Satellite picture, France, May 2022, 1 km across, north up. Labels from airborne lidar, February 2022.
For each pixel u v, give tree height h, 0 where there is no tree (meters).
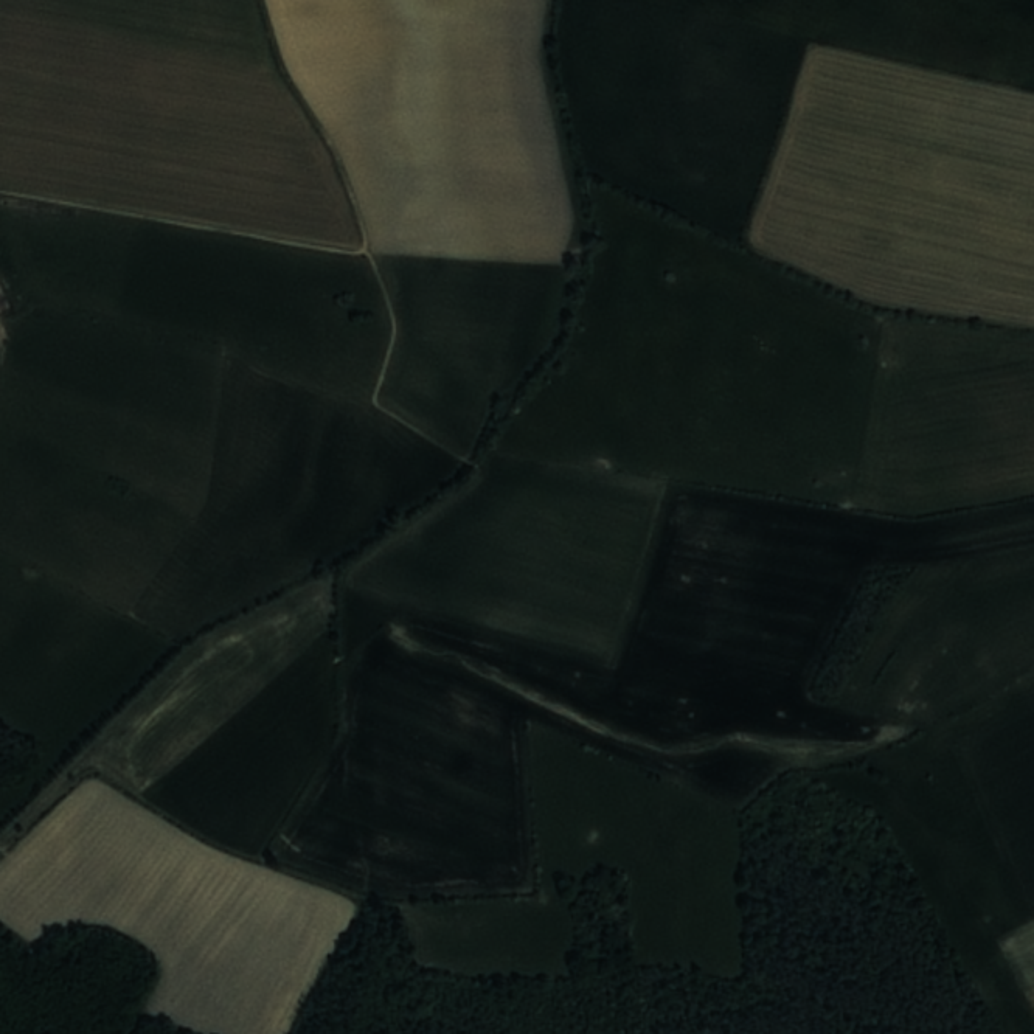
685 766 0
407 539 0
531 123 0
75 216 0
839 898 21
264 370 0
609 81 0
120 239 0
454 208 0
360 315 10
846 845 6
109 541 0
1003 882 0
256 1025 0
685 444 0
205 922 0
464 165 0
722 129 0
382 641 0
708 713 0
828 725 0
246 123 0
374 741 0
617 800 0
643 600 0
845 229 0
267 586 0
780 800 10
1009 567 0
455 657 0
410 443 0
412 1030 14
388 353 0
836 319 0
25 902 0
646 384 0
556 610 0
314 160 0
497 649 0
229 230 0
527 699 0
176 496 0
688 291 0
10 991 14
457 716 0
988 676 0
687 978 9
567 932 0
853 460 0
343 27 0
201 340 0
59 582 0
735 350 0
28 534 0
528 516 0
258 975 0
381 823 0
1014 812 0
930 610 0
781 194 0
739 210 0
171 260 0
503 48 0
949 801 0
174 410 0
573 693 0
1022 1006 0
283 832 0
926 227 0
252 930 0
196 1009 0
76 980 15
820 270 0
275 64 0
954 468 0
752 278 0
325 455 0
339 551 0
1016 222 0
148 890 0
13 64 0
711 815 0
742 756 0
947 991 24
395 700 0
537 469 0
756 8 0
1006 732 0
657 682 0
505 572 0
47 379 0
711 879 0
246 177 0
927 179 0
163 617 0
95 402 0
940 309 0
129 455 0
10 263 0
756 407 0
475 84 0
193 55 0
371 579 0
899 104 0
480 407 0
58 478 0
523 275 0
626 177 0
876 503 0
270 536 0
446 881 0
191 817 0
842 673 18
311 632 0
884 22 0
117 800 0
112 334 0
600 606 0
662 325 0
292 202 0
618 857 0
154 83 0
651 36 0
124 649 0
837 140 0
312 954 0
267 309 0
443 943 0
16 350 0
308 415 0
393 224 0
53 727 0
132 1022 10
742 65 0
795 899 24
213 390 0
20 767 17
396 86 0
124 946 13
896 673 0
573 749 0
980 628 0
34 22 0
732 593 0
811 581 0
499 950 0
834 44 0
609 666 0
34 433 0
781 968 19
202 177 0
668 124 0
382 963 20
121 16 0
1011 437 0
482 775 0
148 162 0
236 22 0
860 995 25
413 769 0
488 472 0
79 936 16
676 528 0
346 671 0
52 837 0
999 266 0
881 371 0
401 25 0
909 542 0
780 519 0
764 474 0
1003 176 0
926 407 0
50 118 0
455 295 0
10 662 0
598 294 0
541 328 0
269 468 0
